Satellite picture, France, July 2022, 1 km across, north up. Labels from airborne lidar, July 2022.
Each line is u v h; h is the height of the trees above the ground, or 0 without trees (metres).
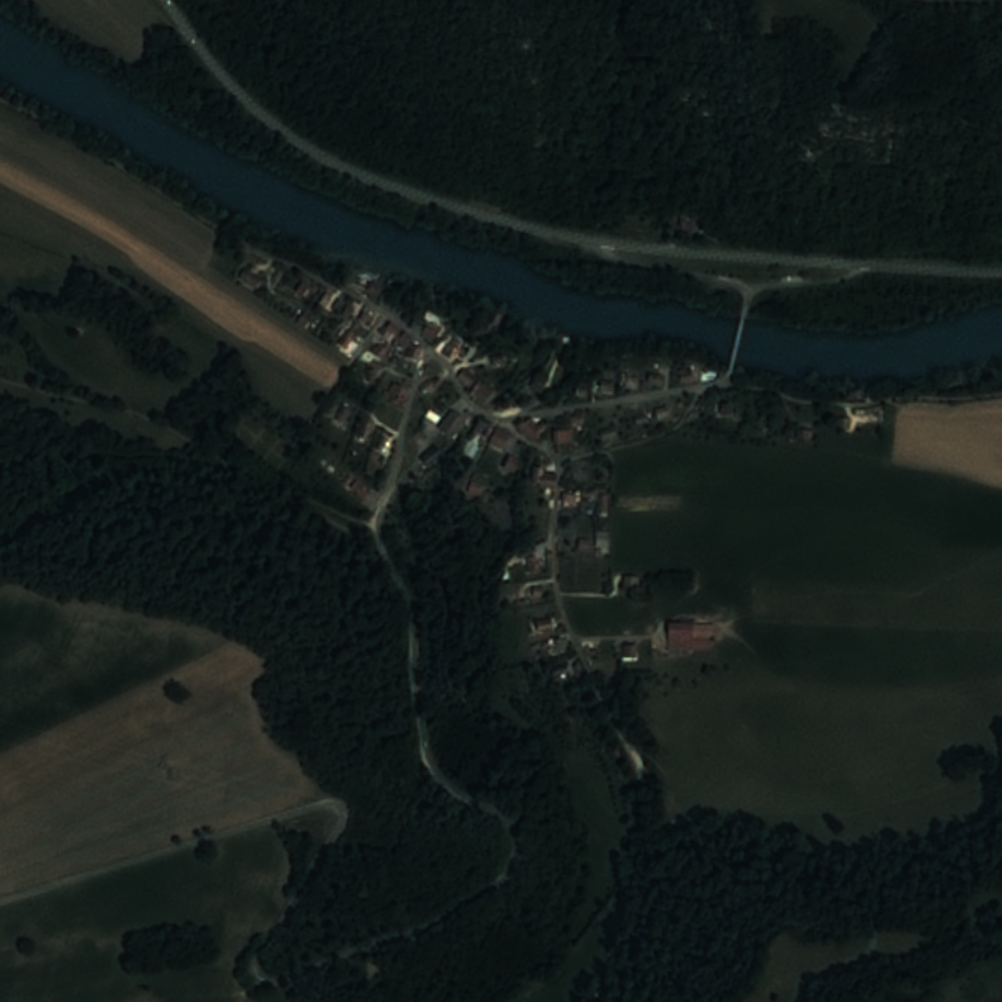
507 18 10
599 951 0
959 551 0
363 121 14
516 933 9
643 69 33
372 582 35
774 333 0
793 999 0
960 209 20
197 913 0
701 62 11
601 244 0
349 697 19
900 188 9
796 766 0
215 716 0
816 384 20
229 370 22
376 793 19
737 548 0
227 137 26
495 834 12
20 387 0
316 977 25
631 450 0
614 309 0
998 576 0
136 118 0
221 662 0
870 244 10
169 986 0
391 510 6
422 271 0
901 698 0
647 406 0
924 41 30
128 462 8
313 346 0
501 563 12
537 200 16
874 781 0
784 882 25
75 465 27
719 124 12
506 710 0
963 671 0
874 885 29
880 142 17
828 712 0
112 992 0
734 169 19
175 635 0
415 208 10
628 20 39
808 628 0
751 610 0
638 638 0
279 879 0
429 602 10
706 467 0
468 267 0
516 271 0
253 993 14
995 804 27
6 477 31
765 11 0
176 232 0
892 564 0
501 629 17
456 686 15
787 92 23
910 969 12
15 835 0
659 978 23
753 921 14
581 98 24
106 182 0
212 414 6
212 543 29
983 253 11
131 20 0
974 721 0
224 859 0
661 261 0
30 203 0
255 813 0
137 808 0
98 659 0
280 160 18
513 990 10
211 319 0
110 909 0
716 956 23
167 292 0
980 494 0
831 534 0
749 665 0
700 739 0
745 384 11
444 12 14
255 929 0
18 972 0
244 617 23
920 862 32
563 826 36
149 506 27
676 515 0
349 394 7
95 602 9
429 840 19
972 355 0
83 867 0
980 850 28
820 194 20
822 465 0
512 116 17
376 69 21
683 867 23
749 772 0
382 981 6
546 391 8
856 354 0
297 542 34
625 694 24
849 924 21
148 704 0
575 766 0
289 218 0
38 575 23
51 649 0
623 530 0
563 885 22
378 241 0
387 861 24
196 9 14
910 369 0
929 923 23
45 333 0
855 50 0
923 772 0
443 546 30
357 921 21
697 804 0
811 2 0
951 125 25
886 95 16
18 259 0
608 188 30
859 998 32
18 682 0
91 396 16
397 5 15
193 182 0
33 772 0
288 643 25
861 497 0
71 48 16
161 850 0
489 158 18
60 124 19
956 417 0
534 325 0
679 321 0
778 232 19
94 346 0
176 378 20
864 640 0
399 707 22
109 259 0
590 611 0
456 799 9
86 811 0
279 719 19
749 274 0
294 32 26
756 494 0
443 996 14
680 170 10
